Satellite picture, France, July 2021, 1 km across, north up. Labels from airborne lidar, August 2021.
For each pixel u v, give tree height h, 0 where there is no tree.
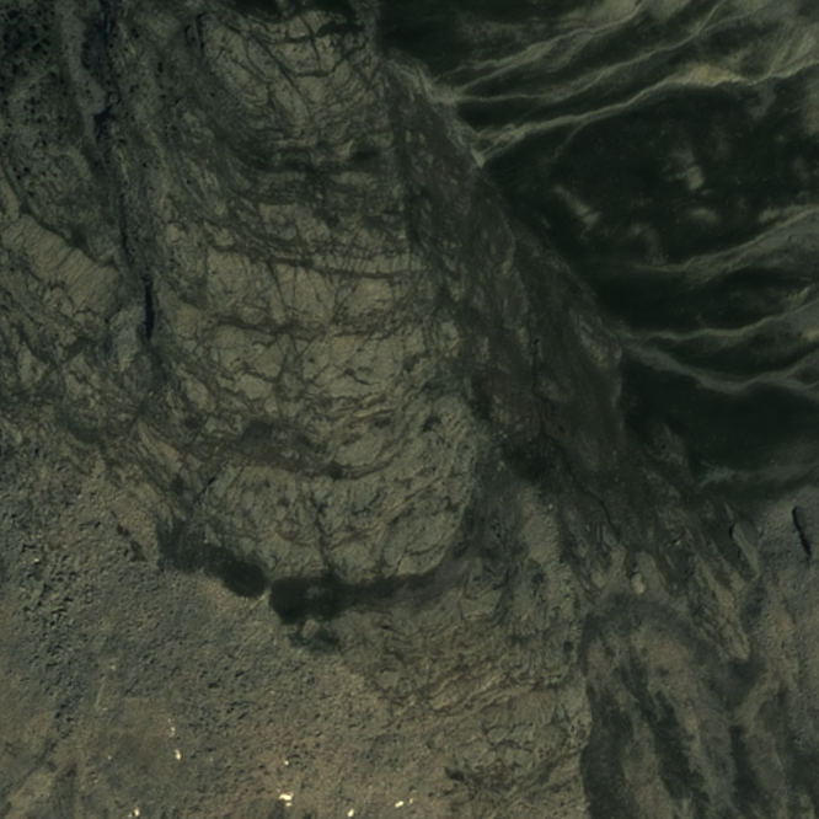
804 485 0
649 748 0
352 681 0
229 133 0
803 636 0
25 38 9
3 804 0
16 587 0
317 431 0
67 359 0
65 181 0
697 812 0
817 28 0
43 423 0
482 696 0
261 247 0
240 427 0
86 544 0
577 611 0
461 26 0
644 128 0
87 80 0
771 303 0
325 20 0
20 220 0
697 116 0
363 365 0
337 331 0
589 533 0
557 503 0
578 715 0
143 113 0
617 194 0
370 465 0
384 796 0
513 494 0
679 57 0
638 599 0
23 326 0
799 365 0
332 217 0
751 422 0
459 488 0
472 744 0
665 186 0
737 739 0
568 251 0
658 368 0
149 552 0
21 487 0
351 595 0
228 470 0
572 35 0
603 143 0
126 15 0
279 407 0
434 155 0
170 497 0
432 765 0
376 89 0
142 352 0
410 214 0
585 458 0
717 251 0
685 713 0
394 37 0
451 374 0
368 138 0
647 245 0
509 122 0
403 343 0
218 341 0
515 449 0
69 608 0
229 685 0
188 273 0
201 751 0
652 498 0
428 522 0
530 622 0
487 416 0
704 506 0
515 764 0
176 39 0
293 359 0
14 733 0
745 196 0
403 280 0
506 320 0
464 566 0
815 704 0
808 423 0
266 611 0
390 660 0
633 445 0
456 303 0
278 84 0
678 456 0
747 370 0
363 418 0
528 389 0
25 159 0
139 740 0
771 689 0
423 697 0
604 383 0
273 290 0
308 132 0
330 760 0
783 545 0
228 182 0
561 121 0
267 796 0
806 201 0
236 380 0
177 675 0
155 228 0
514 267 0
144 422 0
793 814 0
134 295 0
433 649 0
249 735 0
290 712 0
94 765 0
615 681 0
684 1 0
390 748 0
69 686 0
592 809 0
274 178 0
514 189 0
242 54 0
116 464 0
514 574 0
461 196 0
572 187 0
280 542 0
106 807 0
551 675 0
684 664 0
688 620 0
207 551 0
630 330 0
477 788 0
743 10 0
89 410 0
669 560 0
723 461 0
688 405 0
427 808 0
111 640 0
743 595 0
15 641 0
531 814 0
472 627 0
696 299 0
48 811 0
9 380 0
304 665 0
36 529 0
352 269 0
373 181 0
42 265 0
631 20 0
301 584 0
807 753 0
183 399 0
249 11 0
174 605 0
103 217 0
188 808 0
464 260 0
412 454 0
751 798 0
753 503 0
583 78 0
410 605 0
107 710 0
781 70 0
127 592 0
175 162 0
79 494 0
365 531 0
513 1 0
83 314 0
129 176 0
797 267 0
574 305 0
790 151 0
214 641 0
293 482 0
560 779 0
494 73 0
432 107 0
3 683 0
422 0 0
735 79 0
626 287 0
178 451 0
